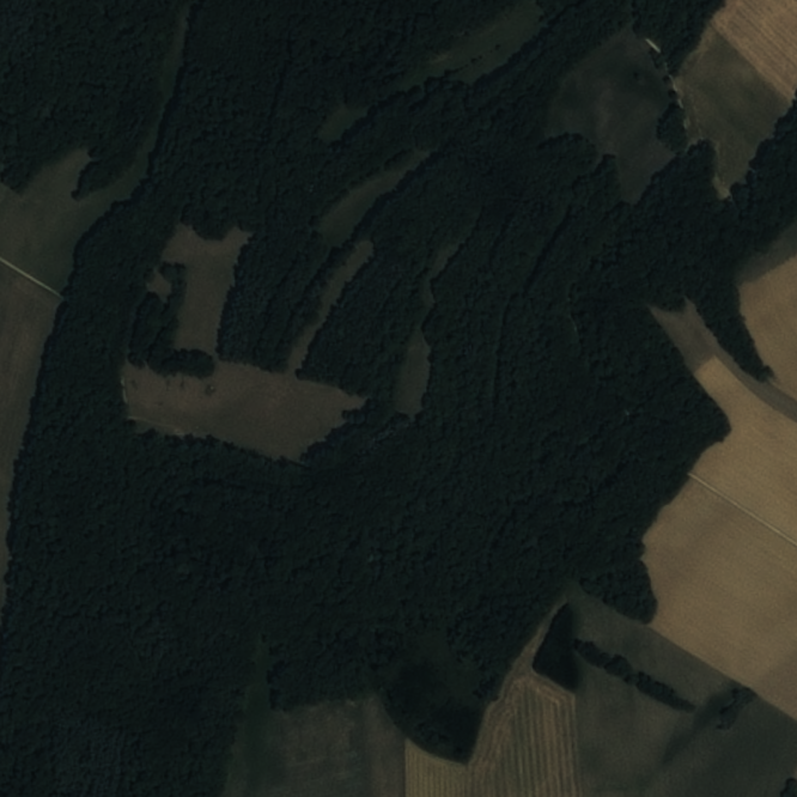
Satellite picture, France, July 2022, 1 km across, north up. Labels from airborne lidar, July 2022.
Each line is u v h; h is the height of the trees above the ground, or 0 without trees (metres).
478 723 7
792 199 22
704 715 0
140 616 24
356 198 0
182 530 29
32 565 25
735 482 0
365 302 13
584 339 14
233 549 24
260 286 27
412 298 16
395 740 0
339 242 0
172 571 25
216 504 31
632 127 0
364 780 0
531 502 22
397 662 28
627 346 14
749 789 0
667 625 0
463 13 28
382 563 11
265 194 18
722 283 20
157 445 25
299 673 21
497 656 21
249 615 26
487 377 16
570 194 25
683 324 0
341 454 27
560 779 0
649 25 18
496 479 24
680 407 19
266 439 0
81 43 20
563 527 23
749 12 0
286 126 28
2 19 30
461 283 14
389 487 22
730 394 0
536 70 26
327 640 22
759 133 0
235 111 10
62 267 0
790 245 0
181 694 25
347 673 29
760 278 0
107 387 18
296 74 25
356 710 0
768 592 0
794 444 0
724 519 0
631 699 0
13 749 27
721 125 0
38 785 29
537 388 23
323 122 22
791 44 0
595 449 24
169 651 11
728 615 0
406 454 20
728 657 0
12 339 0
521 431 24
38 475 25
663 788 0
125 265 22
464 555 24
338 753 0
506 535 24
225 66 16
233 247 0
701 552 0
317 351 15
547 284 22
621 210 20
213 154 28
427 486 19
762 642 0
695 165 23
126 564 26
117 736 19
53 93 20
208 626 25
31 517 28
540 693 0
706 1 14
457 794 0
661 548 0
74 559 21
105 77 22
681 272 26
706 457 0
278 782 0
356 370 24
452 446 14
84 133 19
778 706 0
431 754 0
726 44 0
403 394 0
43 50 24
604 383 20
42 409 23
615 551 21
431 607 21
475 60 6
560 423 21
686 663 0
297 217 20
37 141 20
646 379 22
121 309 19
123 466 22
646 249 27
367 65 7
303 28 27
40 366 0
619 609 17
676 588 0
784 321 0
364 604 26
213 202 24
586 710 0
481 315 19
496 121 30
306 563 17
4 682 24
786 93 0
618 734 0
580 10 23
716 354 0
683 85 0
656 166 0
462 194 19
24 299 0
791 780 9
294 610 27
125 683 18
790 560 0
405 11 13
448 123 26
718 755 0
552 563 26
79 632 21
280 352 20
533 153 26
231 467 24
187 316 0
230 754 18
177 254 0
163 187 27
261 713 0
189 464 15
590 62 0
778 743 0
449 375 10
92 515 23
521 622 23
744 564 0
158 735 23
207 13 15
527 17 0
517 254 24
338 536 29
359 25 26
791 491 0
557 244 18
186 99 24
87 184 16
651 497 21
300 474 17
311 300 26
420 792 0
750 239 25
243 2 15
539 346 22
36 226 0
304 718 0
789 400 0
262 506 26
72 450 23
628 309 21
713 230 24
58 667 21
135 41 22
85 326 22
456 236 20
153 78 19
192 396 0
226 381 0
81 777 15
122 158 20
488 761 0
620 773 0
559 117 0
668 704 11
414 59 24
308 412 0
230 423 0
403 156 20
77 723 19
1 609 0
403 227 23
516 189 19
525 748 0
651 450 21
